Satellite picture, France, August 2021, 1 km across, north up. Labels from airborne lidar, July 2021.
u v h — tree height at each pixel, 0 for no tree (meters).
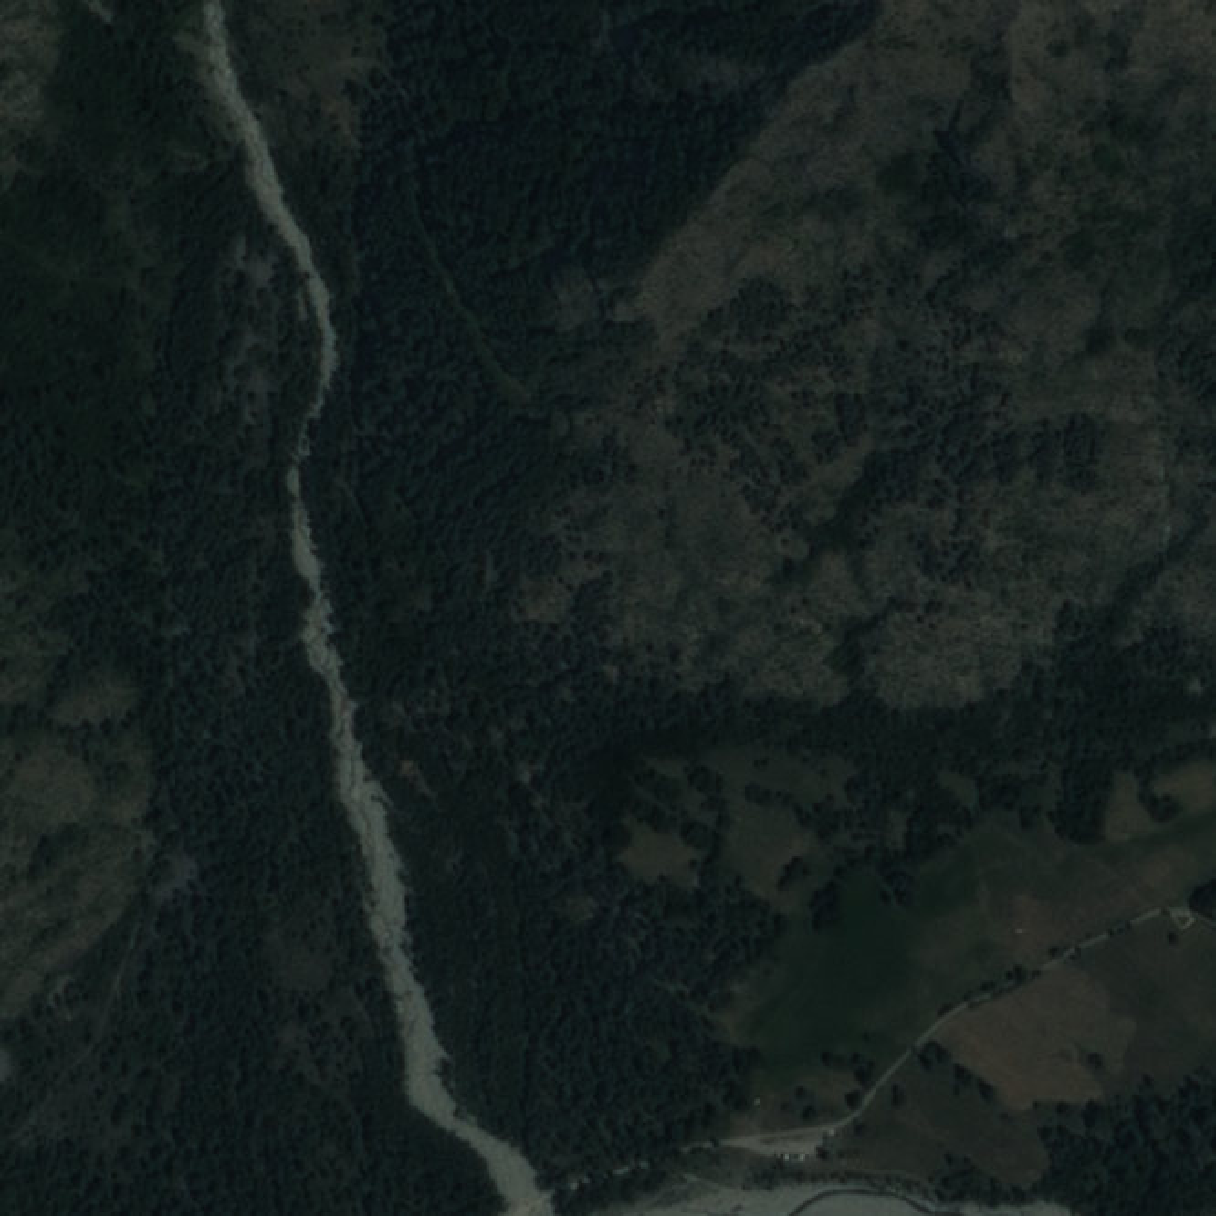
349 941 12
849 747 13
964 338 7
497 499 24
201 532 22
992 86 7
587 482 8
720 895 15
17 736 22
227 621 22
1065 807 10
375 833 0
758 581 6
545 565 19
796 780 0
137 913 9
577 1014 19
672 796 18
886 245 7
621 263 9
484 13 22
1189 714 8
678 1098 20
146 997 15
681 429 8
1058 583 9
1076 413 6
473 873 14
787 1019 0
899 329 6
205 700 22
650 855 0
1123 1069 0
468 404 26
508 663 23
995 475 7
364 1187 12
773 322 18
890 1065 0
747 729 8
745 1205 0
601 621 16
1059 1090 0
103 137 7
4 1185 9
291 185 6
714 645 8
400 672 9
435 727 18
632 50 9
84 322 13
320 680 14
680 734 22
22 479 36
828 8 7
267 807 19
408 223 27
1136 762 14
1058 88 8
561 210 17
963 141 6
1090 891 0
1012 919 0
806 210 6
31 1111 8
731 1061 12
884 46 7
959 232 8
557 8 31
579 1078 24
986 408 16
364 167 12
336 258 13
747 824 0
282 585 10
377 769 11
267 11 6
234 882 14
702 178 16
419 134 17
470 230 9
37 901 7
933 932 0
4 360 7
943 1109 0
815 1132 0
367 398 8
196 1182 17
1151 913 0
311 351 18
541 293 7
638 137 7
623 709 11
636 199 11
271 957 10
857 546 10
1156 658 19
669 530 6
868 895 0
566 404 6
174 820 15
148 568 16
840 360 14
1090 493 9
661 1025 8
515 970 10
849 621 10
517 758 25
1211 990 0
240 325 9
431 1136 10
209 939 17
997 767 6
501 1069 23
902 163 7
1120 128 19
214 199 12
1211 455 9
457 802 10
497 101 13
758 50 14
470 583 19
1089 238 12
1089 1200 8
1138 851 0
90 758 19
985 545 8
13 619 6
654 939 14
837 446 19
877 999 0
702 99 10
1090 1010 0
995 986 9
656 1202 0
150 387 6
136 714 14
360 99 26
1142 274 6
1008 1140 0
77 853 6
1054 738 12
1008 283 7
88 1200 11
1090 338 6
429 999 6
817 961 0
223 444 11
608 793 20
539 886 19
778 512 14
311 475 16
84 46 6
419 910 11
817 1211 0
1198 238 8
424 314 30
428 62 13
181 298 7
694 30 12
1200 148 6
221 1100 11
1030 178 7
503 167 25
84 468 16
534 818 25
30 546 7
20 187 10
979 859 0
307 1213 21
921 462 17
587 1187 15
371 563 9
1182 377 9
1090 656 28
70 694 24
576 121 15
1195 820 0
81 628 24
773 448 7
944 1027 0
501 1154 0
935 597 7
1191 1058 0
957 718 18
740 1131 0
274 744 21
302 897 7
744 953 23
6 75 11
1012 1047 0
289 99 18
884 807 13
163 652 37
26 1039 10
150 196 6
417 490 31
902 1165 0
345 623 16
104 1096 18
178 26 6
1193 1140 25
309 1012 20
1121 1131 12
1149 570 6
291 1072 13
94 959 9
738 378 18
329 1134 8
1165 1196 24
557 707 31
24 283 9
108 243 11
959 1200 8
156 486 7
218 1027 24
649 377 7
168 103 17
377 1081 11
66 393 8
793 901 0
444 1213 13
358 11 8
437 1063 0
